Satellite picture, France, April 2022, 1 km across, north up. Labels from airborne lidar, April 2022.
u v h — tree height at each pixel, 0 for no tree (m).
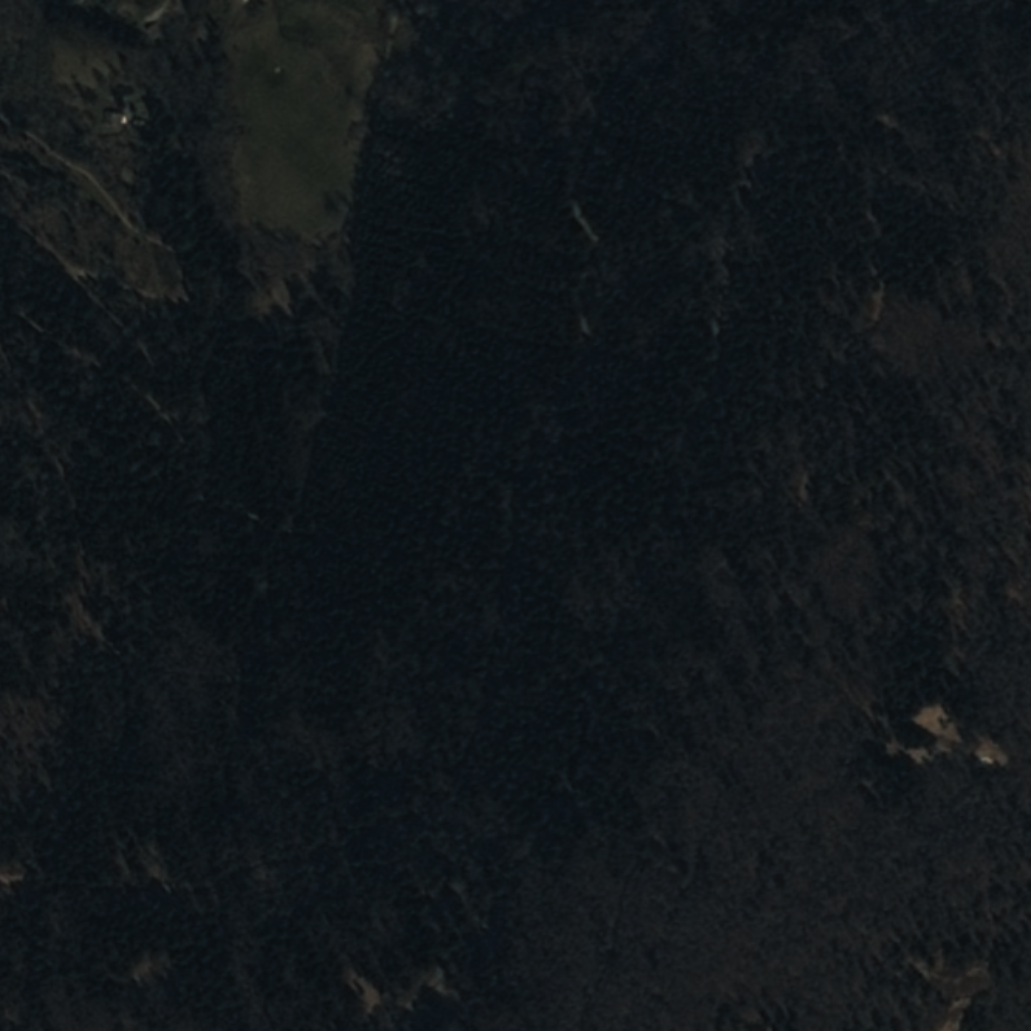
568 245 23
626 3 14
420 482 24
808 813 14
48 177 11
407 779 11
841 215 18
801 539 18
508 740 28
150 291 0
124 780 30
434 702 27
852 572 13
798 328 25
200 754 23
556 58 14
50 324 13
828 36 16
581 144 17
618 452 26
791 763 15
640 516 24
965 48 19
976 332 17
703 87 22
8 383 24
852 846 12
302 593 18
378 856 27
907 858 9
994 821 12
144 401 8
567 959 17
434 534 23
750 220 16
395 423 26
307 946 28
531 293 21
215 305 21
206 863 21
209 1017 20
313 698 23
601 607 23
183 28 7
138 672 21
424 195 17
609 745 27
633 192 22
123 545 16
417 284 22
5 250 31
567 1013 15
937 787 20
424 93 8
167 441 24
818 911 9
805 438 20
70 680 22
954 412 20
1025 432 15
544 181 23
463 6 19
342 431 23
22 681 20
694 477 29
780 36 19
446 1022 35
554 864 19
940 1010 11
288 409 26
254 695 26
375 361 21
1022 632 20
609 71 12
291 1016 21
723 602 18
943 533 19
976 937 8
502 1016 22
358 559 25
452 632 14
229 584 17
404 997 15
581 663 27
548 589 32
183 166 25
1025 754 14
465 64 30
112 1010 19
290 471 19
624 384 23
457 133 23
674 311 26
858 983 17
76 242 9
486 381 17
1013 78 20
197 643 22
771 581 18
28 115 12
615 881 21
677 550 19
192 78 13
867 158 20
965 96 21
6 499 27
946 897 9
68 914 24
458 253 26
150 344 20
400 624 15
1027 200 21
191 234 28
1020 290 23
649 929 15
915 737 21
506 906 20
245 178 0
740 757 13
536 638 24
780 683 18
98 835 24
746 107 25
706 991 12
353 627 15
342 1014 10
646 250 27
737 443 19
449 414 24
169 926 26
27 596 20
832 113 20
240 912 20
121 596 26
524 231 22
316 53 0
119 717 25
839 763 15
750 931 13
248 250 18
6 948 23
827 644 8
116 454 30
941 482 22
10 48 10
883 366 16
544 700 24
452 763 25
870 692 10
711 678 19
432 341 25
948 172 15
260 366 23
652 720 22
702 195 25
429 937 22
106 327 25
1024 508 12
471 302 25
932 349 14
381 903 23
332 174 0
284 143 0
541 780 29
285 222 0
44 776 24
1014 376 21
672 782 18
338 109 0
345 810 19
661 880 19
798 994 10
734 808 17
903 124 14
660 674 21
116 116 0
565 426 23
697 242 22
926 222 29
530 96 15
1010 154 16
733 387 22
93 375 28
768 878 18
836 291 27
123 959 19
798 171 28
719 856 19
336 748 22
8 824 21
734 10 19
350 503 16
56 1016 20
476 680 30
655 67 17
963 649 15
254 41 0
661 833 17
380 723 28
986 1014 13
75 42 12
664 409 22
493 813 25
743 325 26
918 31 26
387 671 24
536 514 29
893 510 22
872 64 24
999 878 9
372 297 13
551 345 15
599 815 24
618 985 17
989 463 22
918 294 23
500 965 22
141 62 7
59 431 25
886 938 11
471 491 25
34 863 17
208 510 13
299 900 24
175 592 24
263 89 0
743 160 18
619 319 26
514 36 23
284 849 24
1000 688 15
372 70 0
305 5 0
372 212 18
